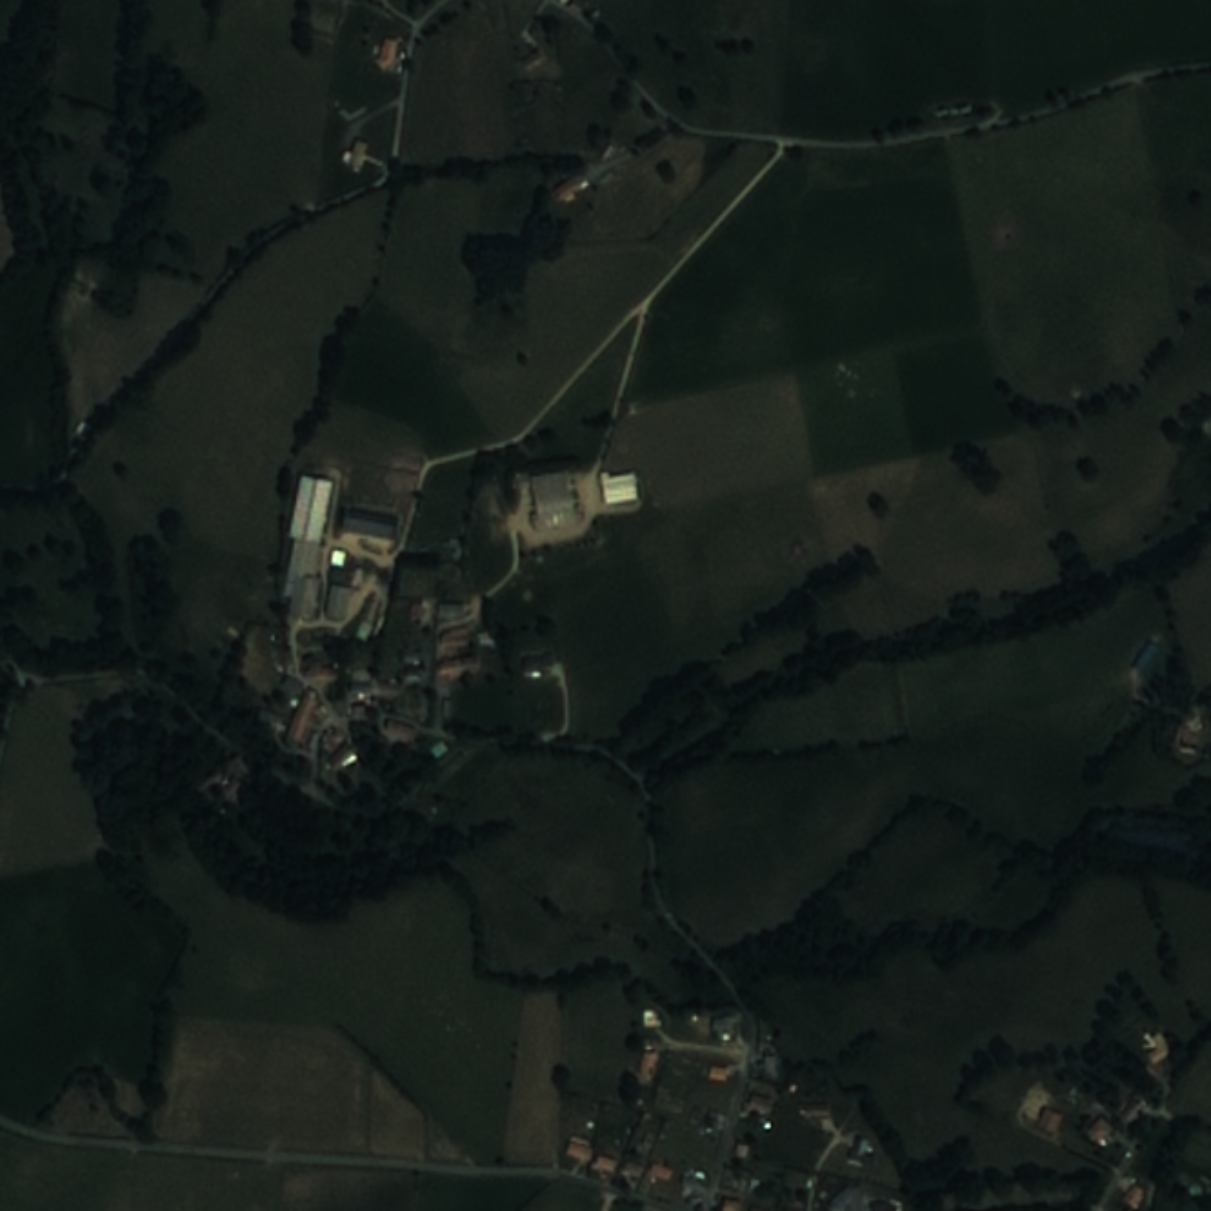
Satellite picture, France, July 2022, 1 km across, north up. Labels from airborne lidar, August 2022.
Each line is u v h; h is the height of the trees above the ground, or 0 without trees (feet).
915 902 0
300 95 0
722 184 0
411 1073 0
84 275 0
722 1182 0
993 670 0
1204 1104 0
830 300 0
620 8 0
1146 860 46
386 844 48
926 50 0
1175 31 0
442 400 0
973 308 0
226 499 0
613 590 0
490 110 0
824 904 58
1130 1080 51
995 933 40
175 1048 0
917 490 0
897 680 0
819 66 0
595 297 0
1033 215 0
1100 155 0
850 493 0
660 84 0
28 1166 0
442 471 0
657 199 0
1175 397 0
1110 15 0
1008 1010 0
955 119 31
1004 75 0
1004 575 0
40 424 0
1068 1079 55
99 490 0
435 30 24
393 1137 0
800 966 56
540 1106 0
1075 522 0
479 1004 0
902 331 0
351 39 0
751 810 0
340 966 0
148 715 57
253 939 0
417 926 0
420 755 45
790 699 41
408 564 43
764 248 0
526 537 0
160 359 52
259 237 27
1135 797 0
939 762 0
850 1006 0
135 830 44
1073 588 63
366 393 0
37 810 0
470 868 0
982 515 0
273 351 0
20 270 35
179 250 56
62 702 0
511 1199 0
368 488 0
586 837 0
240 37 0
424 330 0
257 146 0
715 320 0
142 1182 0
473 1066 0
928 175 0
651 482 0
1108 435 0
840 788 0
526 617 0
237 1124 0
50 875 0
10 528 0
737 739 28
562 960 0
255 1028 0
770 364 0
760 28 0
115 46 0
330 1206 0
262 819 75
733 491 0
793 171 0
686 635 0
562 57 0
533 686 0
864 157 0
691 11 0
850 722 0
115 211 0
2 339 0
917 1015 0
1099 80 0
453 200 0
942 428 0
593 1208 0
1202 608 0
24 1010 0
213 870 61
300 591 0
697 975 63
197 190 0
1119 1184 0
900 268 0
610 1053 0
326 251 0
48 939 0
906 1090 0
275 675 0
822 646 50
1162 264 0
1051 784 0
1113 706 0
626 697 0
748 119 0
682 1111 0
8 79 93
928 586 0
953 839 0
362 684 0
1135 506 0
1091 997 0
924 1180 60
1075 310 0
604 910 0
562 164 38
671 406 0
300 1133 0
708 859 0
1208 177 0
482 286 45
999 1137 0
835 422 0
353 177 0
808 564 0
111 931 0
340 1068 0
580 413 0
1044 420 44
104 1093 42
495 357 0
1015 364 0
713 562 0
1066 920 0
